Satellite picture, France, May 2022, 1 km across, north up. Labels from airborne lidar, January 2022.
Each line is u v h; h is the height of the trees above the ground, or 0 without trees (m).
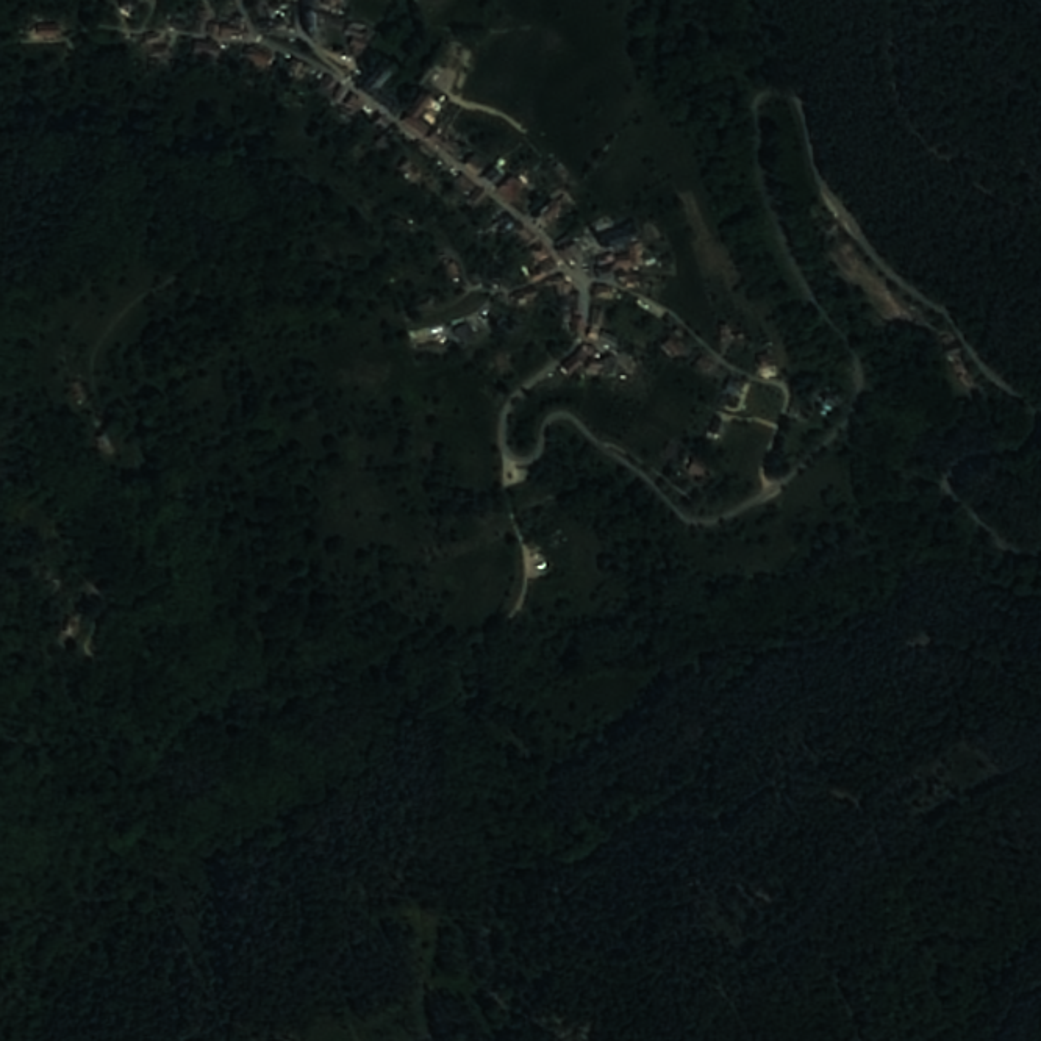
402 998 21
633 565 17
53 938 28
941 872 24
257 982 19
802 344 10
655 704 26
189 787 21
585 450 8
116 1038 11
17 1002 21
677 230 0
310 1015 22
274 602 17
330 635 23
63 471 24
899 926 21
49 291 10
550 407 8
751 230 23
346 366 0
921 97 22
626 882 23
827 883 22
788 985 21
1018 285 20
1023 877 22
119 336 0
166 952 14
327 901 22
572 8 0
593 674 7
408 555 0
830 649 27
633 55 14
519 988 30
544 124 0
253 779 25
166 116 10
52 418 25
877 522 23
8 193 30
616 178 0
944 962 19
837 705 22
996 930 22
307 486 11
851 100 19
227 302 15
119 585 19
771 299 10
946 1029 20
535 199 12
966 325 22
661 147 0
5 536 20
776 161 28
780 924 19
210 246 17
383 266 15
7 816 26
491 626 15
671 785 26
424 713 28
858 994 22
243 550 18
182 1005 27
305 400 16
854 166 19
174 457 22
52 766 26
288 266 7
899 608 26
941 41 22
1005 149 17
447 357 9
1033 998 17
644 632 26
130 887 22
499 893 26
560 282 0
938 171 20
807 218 8
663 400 0
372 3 0
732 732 19
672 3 23
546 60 0
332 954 25
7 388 25
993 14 24
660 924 17
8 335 27
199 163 21
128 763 25
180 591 20
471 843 22
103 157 26
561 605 8
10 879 31
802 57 21
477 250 7
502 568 0
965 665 20
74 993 16
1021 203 24
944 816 15
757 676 19
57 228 24
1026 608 27
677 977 19
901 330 16
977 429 25
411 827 15
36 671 21
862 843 16
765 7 18
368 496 0
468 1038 27
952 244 22
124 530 24
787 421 13
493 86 0
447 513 14
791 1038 16
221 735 26
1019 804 16
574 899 21
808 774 22
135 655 15
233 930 28
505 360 0
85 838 28
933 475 23
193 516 24
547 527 0
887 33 19
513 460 0
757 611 27
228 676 27
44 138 27
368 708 21
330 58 0
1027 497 14
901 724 20
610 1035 21
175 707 21
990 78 20
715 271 0
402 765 23
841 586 16
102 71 23
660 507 12
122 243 19
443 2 0
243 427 8
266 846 24
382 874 14
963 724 22
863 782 18
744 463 0
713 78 27
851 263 0
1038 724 22
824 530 13
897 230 21
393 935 23
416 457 14
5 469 21
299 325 0
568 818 30
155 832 31
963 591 19
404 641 15
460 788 19
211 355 15
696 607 32
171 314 7
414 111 0
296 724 23
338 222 15
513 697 14
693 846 27
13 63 15
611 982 19
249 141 7
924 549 33
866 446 23
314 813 32
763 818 18
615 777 12
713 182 13
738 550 0
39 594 8
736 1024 15
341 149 13
